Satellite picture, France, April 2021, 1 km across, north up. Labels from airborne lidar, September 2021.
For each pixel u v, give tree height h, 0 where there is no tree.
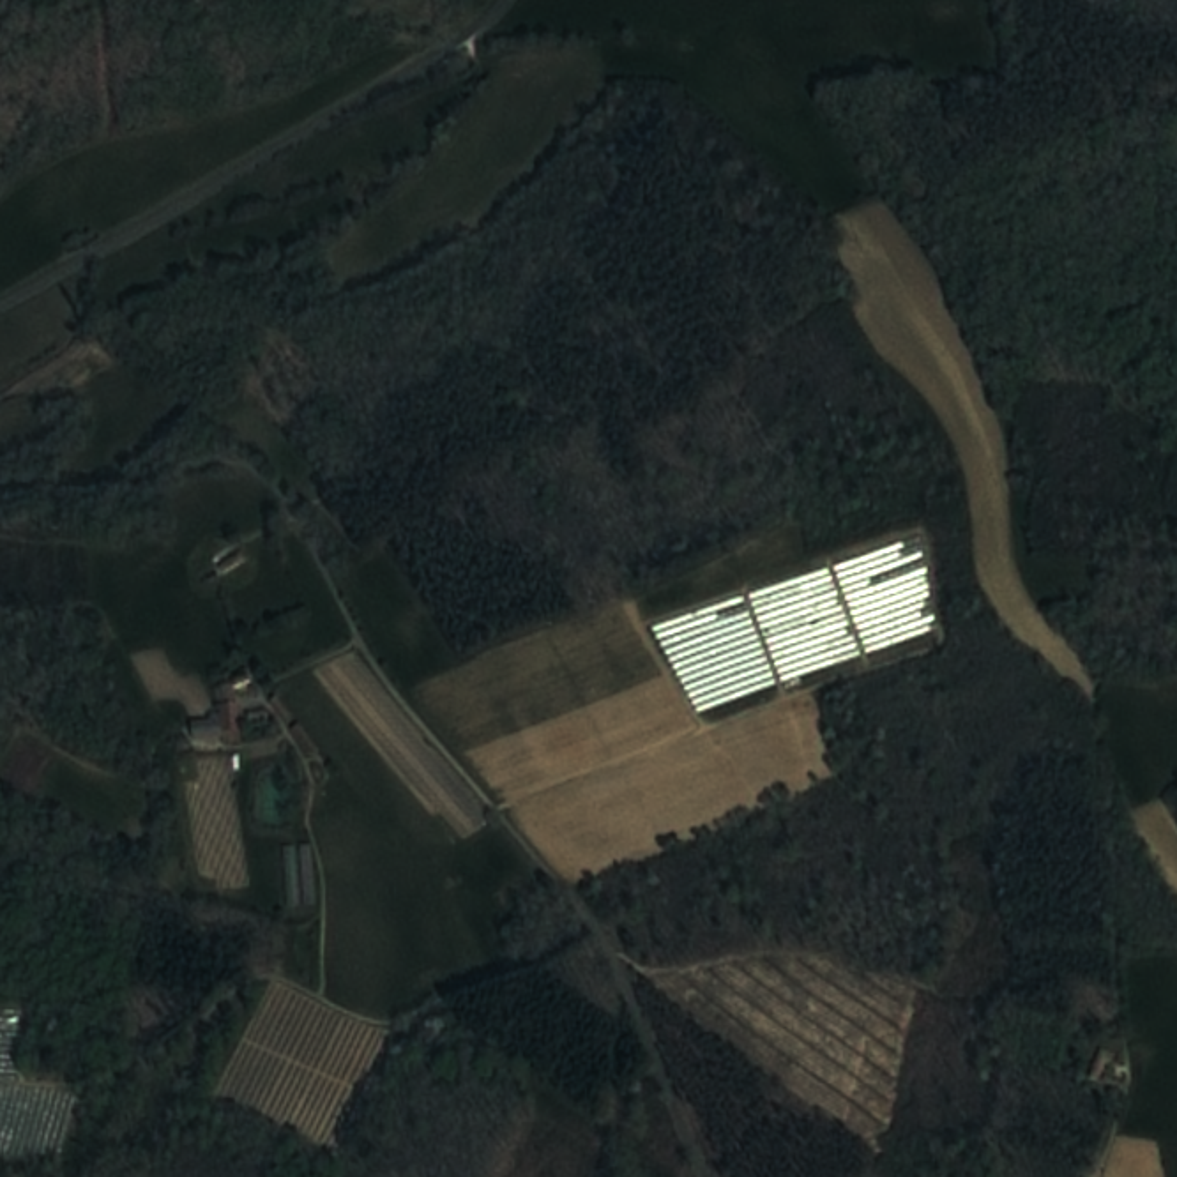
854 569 0
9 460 19
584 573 17
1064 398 10
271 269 20
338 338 20
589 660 0
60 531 21
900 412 19
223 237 0
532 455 22
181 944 15
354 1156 21
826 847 8
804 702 0
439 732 0
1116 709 0
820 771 0
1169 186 22
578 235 20
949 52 0
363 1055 0
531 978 22
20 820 22
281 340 15
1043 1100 21
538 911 21
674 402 26
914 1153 11
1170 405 20
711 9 0
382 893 0
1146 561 14
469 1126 26
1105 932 23
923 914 19
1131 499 6
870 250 0
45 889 31
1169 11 16
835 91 25
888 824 11
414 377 18
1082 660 16
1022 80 21
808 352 9
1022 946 22
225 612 10
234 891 0
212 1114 20
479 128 0
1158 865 12
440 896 0
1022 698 16
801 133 0
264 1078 0
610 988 23
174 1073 15
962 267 14
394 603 0
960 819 20
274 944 21
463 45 0
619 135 10
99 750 24
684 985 0
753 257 26
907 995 0
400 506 24
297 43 22
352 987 0
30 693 25
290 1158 21
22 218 0
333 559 14
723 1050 17
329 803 0
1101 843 24
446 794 0
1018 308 23
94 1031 20
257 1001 17
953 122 26
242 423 0
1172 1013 0
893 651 0
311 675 0
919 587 0
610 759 0
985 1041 21
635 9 0
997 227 15
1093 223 22
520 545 13
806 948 21
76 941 22
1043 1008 22
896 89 25
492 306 16
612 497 18
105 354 15
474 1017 18
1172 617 15
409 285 18
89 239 7
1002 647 15
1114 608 18
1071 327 27
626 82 6
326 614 0
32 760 0
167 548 0
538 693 0
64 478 5
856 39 0
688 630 0
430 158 8
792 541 0
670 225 25
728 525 18
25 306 0
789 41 0
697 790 0
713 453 13
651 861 8
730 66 0
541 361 25
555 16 0
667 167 24
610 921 21
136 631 0
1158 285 28
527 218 13
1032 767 12
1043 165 23
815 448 20
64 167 0
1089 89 19
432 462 19
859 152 17
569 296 23
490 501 18
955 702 19
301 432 17
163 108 22
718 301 25
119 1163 19
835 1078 0
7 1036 0
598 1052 24
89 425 7
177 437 20
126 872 25
